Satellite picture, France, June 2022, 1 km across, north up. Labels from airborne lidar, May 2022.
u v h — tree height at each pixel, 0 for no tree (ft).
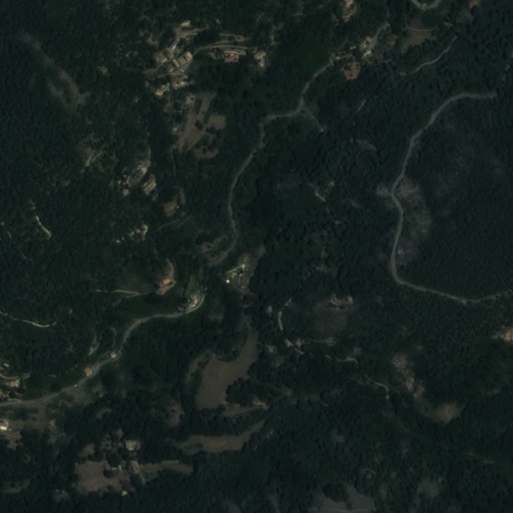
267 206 73
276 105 40
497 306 35
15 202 49
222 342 61
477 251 47
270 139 59
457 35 33
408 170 26
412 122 50
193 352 59
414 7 52
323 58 0
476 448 27
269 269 52
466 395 74
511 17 42
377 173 38
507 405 47
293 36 46
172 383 62
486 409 67
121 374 0
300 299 39
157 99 32
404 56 45
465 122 21
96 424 52
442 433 55
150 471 0
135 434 54
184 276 37
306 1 65
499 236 60
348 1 0
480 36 52
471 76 26
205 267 44
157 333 31
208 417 51
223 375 0
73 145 34
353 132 52
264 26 48
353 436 39
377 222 31
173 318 0
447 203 27
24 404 0
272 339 52
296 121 30
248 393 66
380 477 35
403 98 28
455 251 44
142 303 0
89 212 50
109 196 28
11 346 26
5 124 50
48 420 0
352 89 59
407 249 0
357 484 20
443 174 22
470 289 43
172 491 84
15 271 42
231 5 64
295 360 53
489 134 24
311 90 61
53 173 31
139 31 43
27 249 21
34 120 41
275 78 53
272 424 44
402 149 52
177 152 47
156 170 37
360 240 29
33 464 62
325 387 57
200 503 51
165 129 52
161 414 21
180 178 50
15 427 0
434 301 32
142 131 29
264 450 37
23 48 25
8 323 28
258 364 37
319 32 42
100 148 44
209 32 30
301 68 63
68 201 28
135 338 33
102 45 48
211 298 23
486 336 42
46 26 37
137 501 74
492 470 53
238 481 58
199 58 29
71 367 28
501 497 52
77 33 55
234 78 67
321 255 0
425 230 0
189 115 0
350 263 20
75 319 38
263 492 20
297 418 25
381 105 33
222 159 53
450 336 34
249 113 76
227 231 53
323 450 38
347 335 31
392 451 23
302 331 24
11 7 40
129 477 0
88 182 29
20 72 50
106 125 33
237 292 38
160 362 36
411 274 35
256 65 27
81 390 0
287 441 26
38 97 29
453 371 23
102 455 51
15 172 45
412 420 72
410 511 29
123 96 42
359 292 39
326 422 28
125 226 42
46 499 72
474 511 32
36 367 30
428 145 35
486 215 53
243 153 28
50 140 32
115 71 48
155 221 40
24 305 20
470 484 56
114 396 93
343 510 0
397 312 38
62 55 48
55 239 45
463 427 42
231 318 60
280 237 60
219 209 53
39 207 39
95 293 31
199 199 54
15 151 54
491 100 29
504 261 55
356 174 54
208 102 0
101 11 50
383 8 47
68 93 38
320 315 0
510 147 31
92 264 53
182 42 30
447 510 25
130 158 43
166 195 35
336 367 39
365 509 0
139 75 49
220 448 0
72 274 51
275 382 49
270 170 71
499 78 45
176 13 47
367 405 25
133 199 37
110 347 35
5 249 54
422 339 31
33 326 20
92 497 51
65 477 54
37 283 52
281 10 33
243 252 23
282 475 41
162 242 45
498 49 43
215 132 30
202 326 44
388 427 24
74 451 96
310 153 84
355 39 52
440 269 45
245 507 34
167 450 58
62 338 34
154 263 42
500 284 41
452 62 25
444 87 43
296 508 29
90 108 39
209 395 0
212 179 47
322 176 51
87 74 45
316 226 53
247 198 0
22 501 59
